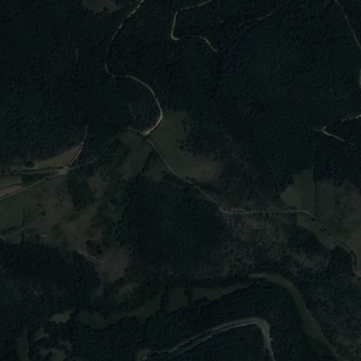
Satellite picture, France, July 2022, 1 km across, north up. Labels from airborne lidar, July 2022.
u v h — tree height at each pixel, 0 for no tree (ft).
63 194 0
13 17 73
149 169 0
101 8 0
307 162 89
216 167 0
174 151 0
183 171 0
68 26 37
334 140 80
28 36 64
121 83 50
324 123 89
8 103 54
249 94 103
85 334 121
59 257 43
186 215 60
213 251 25
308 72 68
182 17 45
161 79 72
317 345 0
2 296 48
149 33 51
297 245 19
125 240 34
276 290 79
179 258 57
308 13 30
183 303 0
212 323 73
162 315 75
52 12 64
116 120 54
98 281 34
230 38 33
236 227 30
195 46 32
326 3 60
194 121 26
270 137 102
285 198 0
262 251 31
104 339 78
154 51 87
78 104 32
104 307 64
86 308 70
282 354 27
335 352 0
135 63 45
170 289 63
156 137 0
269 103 45
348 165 79
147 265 28
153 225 47
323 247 35
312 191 0
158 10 51
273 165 72
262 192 21
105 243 27
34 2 65
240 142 47
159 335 41
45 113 53
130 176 0
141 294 29
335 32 94
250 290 42
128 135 0
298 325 72
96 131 58
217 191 31
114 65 87
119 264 0
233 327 0
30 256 27
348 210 0
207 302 60
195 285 59
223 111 58
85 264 38
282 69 25
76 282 88
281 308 25
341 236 0
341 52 110
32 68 40
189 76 47
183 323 37
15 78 48
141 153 0
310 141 99
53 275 93
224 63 115
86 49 39
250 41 72
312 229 0
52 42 51
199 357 49
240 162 26
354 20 30
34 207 0
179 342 35
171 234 43
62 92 17
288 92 51
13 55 66
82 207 30
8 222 0
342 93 64
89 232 0
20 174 34
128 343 64
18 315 73
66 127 25
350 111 55
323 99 50
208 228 45
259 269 33
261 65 50
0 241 60
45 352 0
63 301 32
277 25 32
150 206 48
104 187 0
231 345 54
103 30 47
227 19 69
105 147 26
